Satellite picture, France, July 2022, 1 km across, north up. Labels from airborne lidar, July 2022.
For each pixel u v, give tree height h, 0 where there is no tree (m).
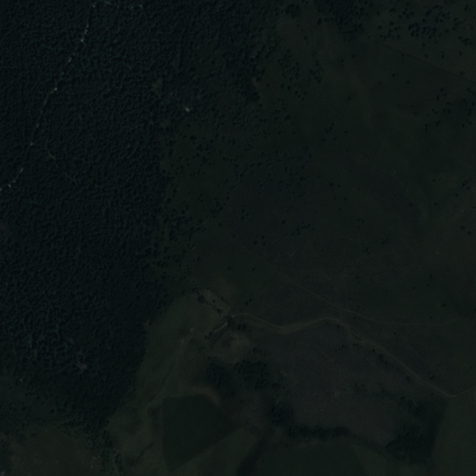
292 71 5
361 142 0
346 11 10
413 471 0
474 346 0
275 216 0
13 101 19
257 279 0
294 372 0
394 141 0
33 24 12
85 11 18
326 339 0
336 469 0
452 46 0
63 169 13
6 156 14
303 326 0
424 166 0
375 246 0
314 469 0
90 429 8
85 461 0
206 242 0
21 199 22
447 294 0
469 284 0
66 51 9
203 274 0
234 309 0
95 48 20
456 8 0
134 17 21
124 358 13
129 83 18
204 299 8
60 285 12
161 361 0
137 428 0
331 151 0
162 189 13
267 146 0
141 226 18
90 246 14
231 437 0
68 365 15
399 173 0
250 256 0
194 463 0
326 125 0
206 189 0
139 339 11
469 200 0
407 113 0
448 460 0
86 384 15
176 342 0
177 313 0
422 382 0
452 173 0
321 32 0
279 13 8
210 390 0
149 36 24
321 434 6
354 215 0
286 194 0
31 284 18
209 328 0
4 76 19
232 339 0
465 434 0
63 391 12
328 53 0
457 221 0
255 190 0
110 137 16
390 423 0
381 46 0
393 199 0
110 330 11
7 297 14
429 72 0
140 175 12
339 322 0
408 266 0
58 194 18
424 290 0
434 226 0
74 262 12
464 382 0
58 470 0
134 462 0
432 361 0
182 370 0
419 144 0
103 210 12
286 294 0
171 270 0
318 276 0
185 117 7
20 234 17
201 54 0
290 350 0
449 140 0
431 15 8
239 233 0
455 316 0
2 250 9
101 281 9
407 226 0
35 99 18
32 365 10
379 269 0
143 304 12
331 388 0
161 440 0
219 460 0
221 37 9
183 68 12
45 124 16
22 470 0
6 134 12
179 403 0
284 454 0
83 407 9
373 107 0
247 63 17
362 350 0
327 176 0
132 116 20
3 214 21
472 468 0
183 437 0
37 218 18
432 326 0
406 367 0
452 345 0
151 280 13
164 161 0
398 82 0
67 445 0
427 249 0
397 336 0
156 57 21
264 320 0
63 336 23
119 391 12
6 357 12
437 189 0
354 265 0
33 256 9
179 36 10
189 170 0
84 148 18
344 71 0
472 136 0
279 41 6
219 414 0
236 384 0
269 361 0
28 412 5
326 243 0
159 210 18
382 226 0
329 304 0
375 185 0
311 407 0
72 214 15
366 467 0
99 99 15
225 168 0
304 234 0
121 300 9
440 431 0
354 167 0
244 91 8
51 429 0
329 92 0
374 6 9
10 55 20
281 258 0
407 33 0
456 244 0
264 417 0
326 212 0
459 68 0
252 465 0
